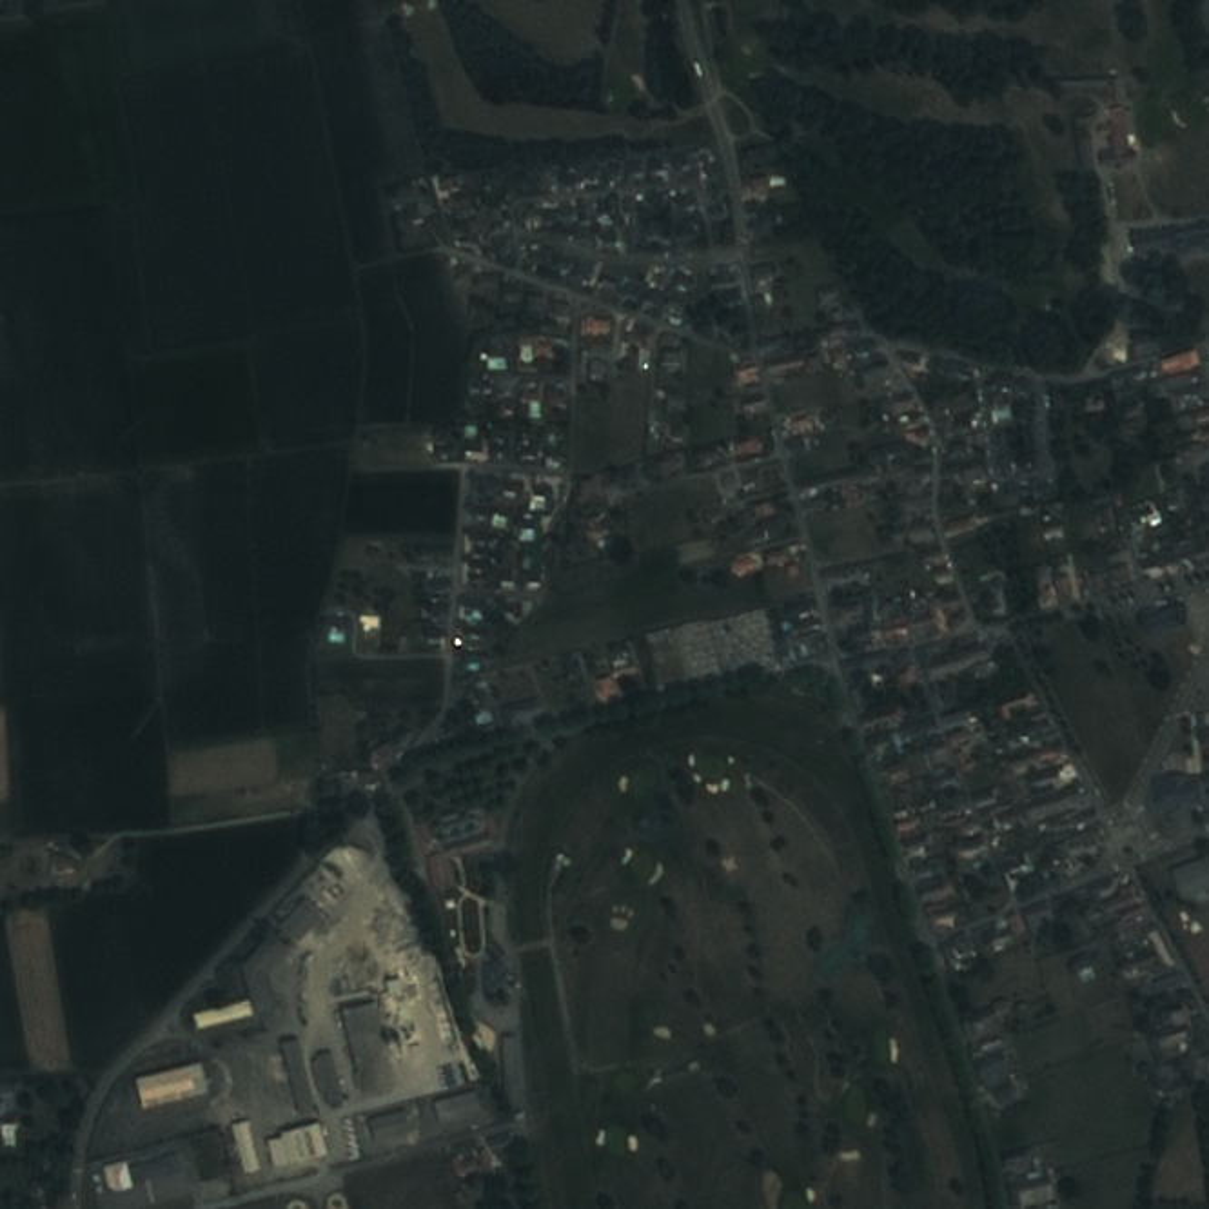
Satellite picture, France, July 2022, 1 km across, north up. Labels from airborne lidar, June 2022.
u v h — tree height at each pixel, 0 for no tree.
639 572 0
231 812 0
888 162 34
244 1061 0
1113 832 0
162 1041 0
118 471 0
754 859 0
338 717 0
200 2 0
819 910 0
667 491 0
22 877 0
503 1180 13
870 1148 0
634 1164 0
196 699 0
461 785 11
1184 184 0
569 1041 0
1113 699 0
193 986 0
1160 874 0
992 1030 0
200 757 0
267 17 0
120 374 0
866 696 14
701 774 0
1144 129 0
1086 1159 0
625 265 0
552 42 0
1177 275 23
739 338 7
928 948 13
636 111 14
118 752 0
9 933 0
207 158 0
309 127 0
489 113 0
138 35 0
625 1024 0
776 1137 0
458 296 0
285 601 0
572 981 0
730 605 0
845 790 0
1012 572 9
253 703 0
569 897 0
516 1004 0
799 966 0
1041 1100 0
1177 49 0
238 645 0
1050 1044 0
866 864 0
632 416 0
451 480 0
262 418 0
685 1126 0
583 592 0
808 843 0
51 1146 8
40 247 0
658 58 17
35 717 0
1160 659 20
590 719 14
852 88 0
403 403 0
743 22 0
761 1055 0
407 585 0
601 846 0
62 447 0
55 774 0
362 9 0
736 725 0
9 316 0
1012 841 0
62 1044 0
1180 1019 0
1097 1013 0
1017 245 27
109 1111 0
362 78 0
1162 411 6
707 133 0
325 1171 0
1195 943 0
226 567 0
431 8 0
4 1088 0
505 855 16
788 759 0
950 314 30
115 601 0
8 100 0
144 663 0
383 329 0
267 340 0
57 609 0
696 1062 0
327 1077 0
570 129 0
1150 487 0
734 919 0
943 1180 0
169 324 0
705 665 0
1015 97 0
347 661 0
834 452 0
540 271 7
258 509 0
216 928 0
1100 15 0
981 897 7
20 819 0
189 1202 0
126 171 0
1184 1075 8
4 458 0
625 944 0
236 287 0
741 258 0
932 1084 0
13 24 0
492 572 7
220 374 0
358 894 0
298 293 0
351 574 8
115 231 0
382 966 0
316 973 0
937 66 15
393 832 13
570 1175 0
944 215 31
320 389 0
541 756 12
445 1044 0
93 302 0
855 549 0
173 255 0
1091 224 23
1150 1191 10
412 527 0
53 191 0
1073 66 0
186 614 0
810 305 0
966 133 18
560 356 11
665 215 7
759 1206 0
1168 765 0
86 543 0
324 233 0
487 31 16
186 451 0
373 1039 0
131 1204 0
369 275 0
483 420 5
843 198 25
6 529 0
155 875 0
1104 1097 0
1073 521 0
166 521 0
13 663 0
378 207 0
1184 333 7
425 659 0
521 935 0
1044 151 0
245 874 0
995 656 7
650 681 7
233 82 0
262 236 0
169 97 0
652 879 0
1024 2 18
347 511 0
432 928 18
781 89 29
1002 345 33
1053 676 14
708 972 0
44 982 0
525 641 0
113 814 0
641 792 0
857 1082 0
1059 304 13
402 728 6
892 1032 0
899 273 33
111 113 0
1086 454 9
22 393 0
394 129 0
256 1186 0
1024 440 12
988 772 0
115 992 0
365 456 0
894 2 20
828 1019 0
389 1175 0
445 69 0
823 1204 0
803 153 26
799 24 13
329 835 18
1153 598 0
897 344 0
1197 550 0
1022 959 0
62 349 0
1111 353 0
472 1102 0
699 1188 0
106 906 0
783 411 0
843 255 23
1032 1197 0
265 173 0
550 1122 0
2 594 0
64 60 0
